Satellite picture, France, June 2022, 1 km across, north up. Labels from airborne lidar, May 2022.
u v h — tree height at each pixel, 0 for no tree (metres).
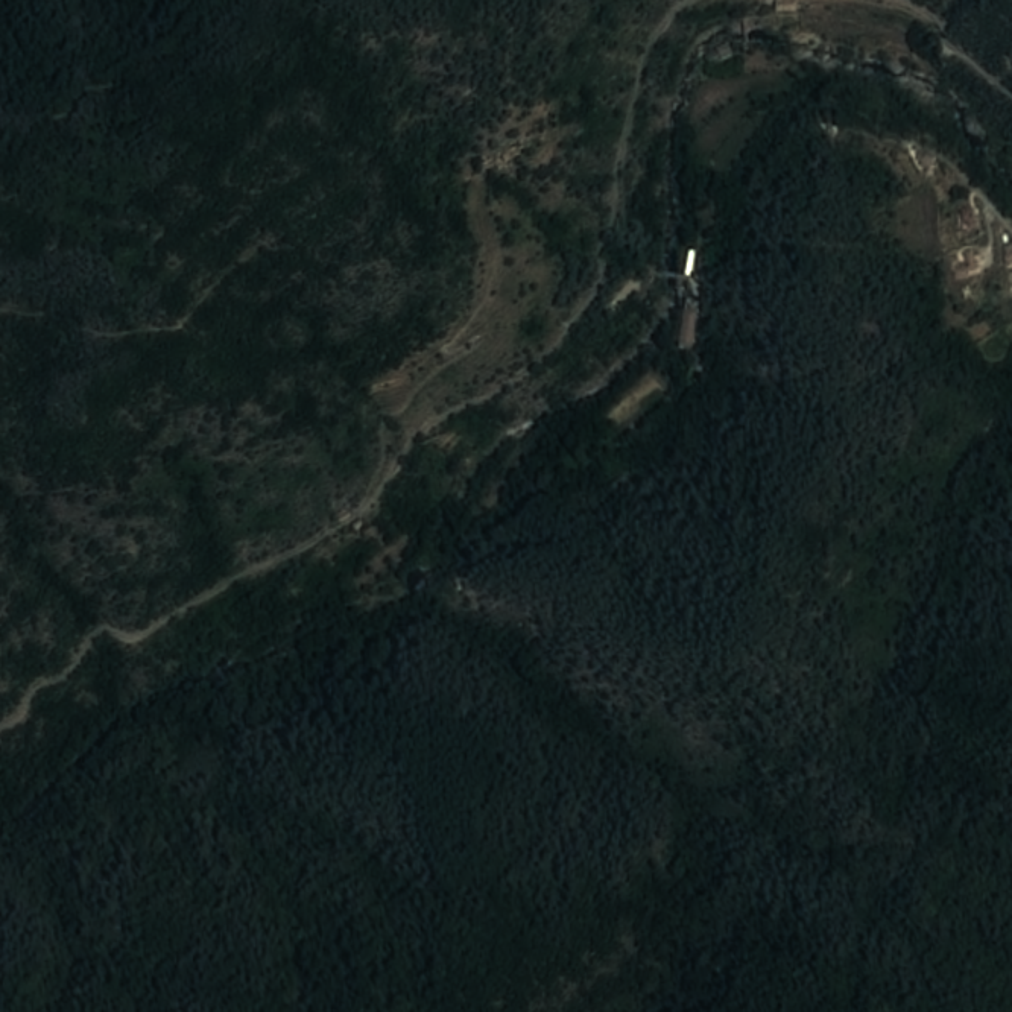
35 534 12
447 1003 18
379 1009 14
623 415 0
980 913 13
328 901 14
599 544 33
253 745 24
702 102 0
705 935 7
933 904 10
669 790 13
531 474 15
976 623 24
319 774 32
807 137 12
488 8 20
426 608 19
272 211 11
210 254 8
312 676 13
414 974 14
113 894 17
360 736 37
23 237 10
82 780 18
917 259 12
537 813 13
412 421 0
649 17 6
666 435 11
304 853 20
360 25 21
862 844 10
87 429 7
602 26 17
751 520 13
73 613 6
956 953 13
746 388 11
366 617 19
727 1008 17
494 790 19
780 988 13
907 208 0
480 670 24
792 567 22
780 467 14
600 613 26
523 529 8
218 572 10
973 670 18
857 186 25
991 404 11
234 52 16
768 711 27
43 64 22
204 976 17
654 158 15
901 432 25
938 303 7
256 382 12
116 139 12
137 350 9
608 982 10
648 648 24
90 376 18
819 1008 12
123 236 7
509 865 13
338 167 9
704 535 21
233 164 13
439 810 39
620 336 8
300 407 6
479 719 29
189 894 17
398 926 11
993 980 14
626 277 16
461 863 33
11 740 7
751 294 26
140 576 9
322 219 7
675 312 16
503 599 22
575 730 14
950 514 6
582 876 17
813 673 8
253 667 15
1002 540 27
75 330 18
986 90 9
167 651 10
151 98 8
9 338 8
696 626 22
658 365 23
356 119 14
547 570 23
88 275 16
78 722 13
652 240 16
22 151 11
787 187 8
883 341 17
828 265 25
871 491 24
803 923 17
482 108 15
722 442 10
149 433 13
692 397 14
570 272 18
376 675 29
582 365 7
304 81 14
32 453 7
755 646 23
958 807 24
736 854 11
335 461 7
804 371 24
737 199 13
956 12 12
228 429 7
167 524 7
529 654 18
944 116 9
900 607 6
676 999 13
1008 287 0
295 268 12
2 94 10
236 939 18
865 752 8
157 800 12
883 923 14
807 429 23
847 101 11
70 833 10
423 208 7
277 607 11
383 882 9
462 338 0
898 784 10
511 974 12
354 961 18
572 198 6
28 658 10
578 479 10
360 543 6
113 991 14
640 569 17
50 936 22
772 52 8
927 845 13
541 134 7
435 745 36
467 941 16
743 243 9
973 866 16
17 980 13
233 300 7
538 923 18
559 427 19
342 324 7
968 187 7
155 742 18
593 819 26
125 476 11
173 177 8
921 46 10
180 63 11
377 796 22
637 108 11
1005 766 21
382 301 6
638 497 6
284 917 19
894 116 11
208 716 20
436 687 13
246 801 23
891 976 8
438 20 14
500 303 0
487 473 12
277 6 7
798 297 25
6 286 17
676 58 9
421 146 11
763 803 13
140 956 8
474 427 6
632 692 28
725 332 20
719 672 25
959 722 16
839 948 17
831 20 0
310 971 18
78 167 9
